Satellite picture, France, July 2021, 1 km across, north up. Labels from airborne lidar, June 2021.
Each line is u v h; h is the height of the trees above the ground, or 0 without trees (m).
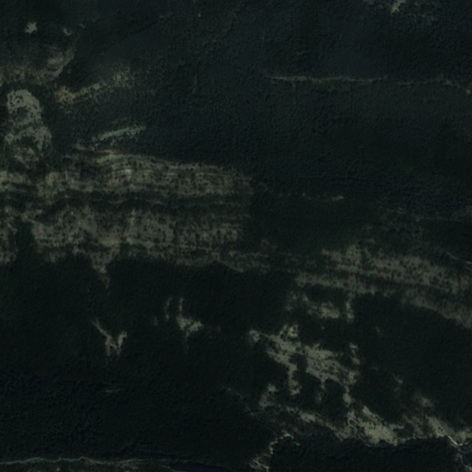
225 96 22
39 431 14
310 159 32
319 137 34
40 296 15
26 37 9
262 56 22
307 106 21
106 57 17
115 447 25
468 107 20
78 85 9
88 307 7
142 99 6
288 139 31
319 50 12
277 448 10
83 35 11
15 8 13
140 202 6
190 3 18
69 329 13
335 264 7
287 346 0
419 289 7
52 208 6
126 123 10
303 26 15
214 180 6
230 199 6
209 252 13
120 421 19
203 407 19
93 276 10
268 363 18
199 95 11
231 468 22
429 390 9
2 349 14
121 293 15
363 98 18
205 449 26
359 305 11
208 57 11
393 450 17
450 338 14
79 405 21
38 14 10
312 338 10
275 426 8
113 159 0
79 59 10
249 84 20
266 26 16
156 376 8
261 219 7
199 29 8
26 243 10
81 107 7
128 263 15
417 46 17
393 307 14
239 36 15
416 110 21
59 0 12
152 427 21
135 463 8
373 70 18
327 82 5
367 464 23
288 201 7
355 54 24
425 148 25
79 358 14
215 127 23
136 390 17
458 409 13
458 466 8
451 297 6
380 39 20
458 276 7
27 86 6
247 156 11
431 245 6
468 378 15
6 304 9
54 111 7
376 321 9
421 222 8
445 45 17
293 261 6
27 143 7
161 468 12
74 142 10
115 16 19
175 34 10
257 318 13
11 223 7
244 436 24
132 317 10
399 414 6
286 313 7
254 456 8
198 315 15
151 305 12
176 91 8
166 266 8
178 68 7
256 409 9
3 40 6
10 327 10
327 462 22
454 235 21
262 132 32
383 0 11
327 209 15
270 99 16
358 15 17
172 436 24
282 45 13
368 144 27
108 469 10
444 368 14
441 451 21
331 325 11
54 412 20
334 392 10
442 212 7
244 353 8
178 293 10
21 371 11
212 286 16
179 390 14
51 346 17
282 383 18
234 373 13
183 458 8
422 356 13
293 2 11
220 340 6
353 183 10
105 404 16
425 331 15
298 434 8
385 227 6
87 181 6
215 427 23
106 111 11
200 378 15
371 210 6
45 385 10
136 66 8
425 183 15
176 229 8
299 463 17
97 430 25
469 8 19
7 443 17
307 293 10
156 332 9
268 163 33
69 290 12
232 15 6
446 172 18
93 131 8
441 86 20
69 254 8
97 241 6
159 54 12
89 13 13
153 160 6
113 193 7
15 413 15
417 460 21
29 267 16
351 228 8
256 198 9
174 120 17
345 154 29
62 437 18
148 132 10
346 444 10
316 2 15
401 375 7
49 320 13
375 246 7
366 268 6
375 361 12
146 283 13
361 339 13
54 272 13
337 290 9
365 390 10
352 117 26
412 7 9
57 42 12
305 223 10
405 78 8
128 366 18
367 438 6
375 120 23
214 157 9
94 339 20
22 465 6
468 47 12
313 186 9
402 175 18
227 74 18
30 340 11
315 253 7
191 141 17
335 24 22
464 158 24
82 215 6
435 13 14
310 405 10
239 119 14
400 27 13
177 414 16
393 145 30
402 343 11
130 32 13
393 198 10
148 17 21
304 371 7
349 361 10
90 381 23
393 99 20
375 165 24
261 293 11
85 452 14
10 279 11
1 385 22
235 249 7
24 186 7
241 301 13
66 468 10
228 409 18
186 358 11
